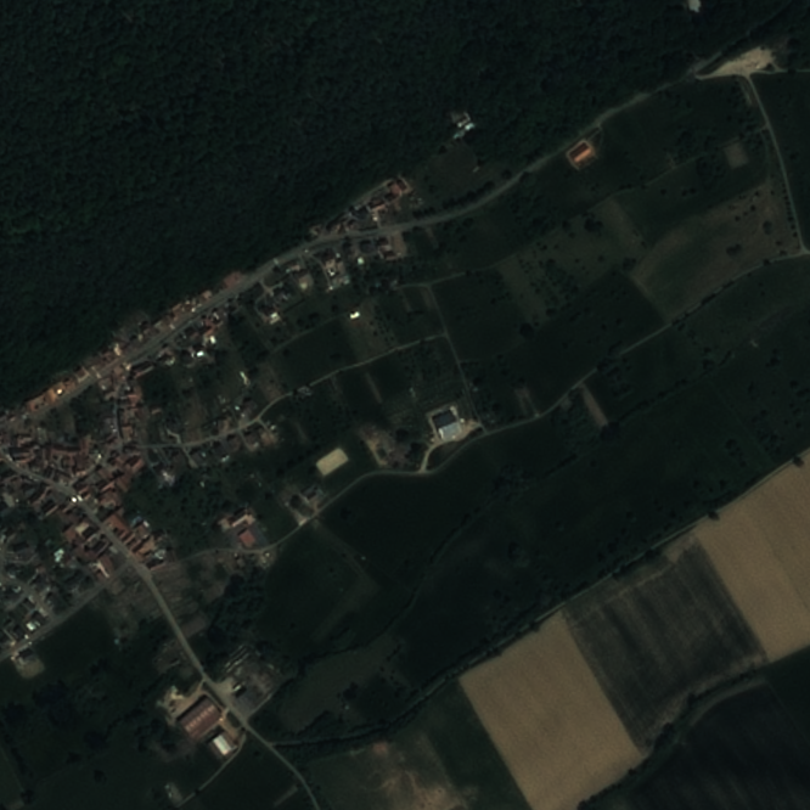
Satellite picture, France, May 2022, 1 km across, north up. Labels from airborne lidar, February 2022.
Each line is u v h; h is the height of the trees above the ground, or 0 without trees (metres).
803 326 0
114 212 22
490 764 0
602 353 0
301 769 7
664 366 0
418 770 0
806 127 0
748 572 0
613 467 0
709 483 0
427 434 0
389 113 30
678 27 31
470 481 0
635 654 0
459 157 0
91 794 0
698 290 0
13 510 0
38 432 0
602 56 32
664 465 0
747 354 0
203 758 0
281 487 0
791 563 0
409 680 0
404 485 0
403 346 0
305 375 0
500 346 0
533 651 0
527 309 0
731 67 0
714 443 0
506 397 0
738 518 0
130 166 27
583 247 0
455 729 0
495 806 0
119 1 25
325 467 0
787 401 0
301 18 24
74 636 0
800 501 0
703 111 0
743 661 0
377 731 9
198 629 0
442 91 20
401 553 0
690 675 0
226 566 0
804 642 0
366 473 0
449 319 0
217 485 7
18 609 0
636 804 0
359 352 0
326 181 25
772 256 0
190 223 21
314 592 0
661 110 0
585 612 0
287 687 6
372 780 0
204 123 24
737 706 0
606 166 0
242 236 26
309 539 0
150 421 0
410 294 0
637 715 0
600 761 0
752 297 0
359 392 0
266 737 0
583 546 0
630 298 0
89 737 0
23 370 20
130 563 0
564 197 0
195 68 32
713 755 0
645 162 0
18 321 27
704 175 11
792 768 0
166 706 0
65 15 27
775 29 14
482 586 0
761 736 0
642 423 0
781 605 0
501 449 0
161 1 24
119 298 25
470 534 0
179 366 0
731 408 0
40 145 25
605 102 16
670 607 0
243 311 0
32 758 0
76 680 0
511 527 0
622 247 0
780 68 0
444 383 0
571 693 0
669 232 0
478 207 0
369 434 0
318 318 9
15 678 0
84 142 22
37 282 23
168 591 0
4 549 0
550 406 0
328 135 24
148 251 29
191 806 0
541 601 13
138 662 0
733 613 0
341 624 0
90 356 0
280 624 0
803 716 0
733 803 0
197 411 0
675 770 0
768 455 0
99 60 25
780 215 0
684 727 0
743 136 8
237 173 22
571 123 24
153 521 0
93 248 24
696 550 0
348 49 28
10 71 27
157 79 25
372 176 25
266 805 0
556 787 0
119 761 0
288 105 25
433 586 0
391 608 0
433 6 23
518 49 31
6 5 22
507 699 0
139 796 0
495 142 23
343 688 0
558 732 0
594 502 0
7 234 22
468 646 0
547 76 34
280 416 0
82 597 0
